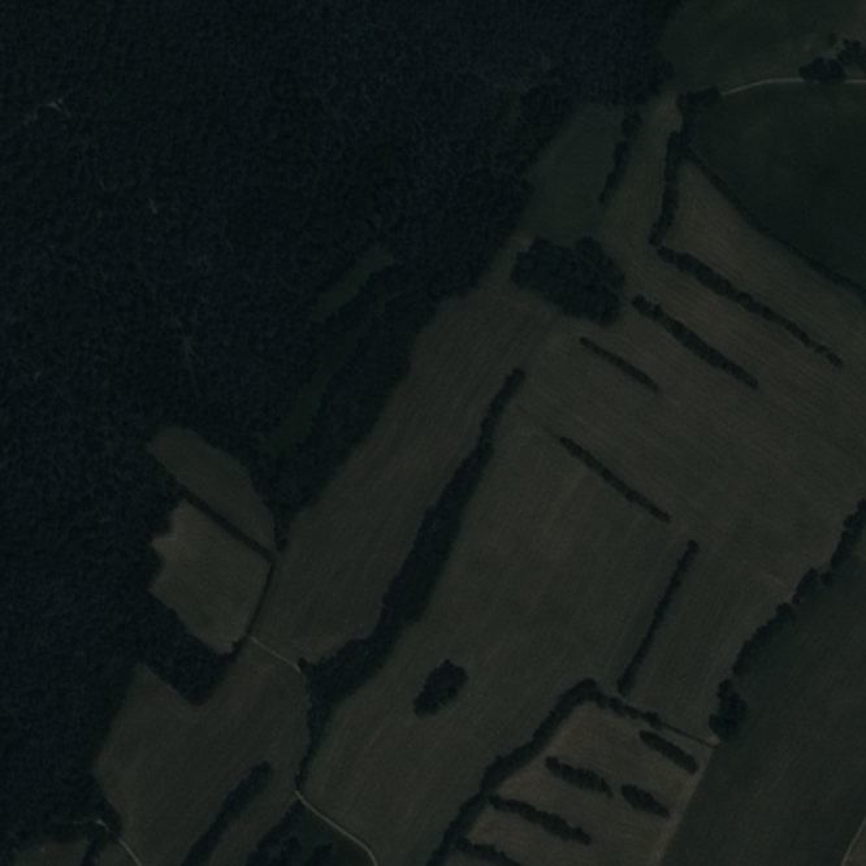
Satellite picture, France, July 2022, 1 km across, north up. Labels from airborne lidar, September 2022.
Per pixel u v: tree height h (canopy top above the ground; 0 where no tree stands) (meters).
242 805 18
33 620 22
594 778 17
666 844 0
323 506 0
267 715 0
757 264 0
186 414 13
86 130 21
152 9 21
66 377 16
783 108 0
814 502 0
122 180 24
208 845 15
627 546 0
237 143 26
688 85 0
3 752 8
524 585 0
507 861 14
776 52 0
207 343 22
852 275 0
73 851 0
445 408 0
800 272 0
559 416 0
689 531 0
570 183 0
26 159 20
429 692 17
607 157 0
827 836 0
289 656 0
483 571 0
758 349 0
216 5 26
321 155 6
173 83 20
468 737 0
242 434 7
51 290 22
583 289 20
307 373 11
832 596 0
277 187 16
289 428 0
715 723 19
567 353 0
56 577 24
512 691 0
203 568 0
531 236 0
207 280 21
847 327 0
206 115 21
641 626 0
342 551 0
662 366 0
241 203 8
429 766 0
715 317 0
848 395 0
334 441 23
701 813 0
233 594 0
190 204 24
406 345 19
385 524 0
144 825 0
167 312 34
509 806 11
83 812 6
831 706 0
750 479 0
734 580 0
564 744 0
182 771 0
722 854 0
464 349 0
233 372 16
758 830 0
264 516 0
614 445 0
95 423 19
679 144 12
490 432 12
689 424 0
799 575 0
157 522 7
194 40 25
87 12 20
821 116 0
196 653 20
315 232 24
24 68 19
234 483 0
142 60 19
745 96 0
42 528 16
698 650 0
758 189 0
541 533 0
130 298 7
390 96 22
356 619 0
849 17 0
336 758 0
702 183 0
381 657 15
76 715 18
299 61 32
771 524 0
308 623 0
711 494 0
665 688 0
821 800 0
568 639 0
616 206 0
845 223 0
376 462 0
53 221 29
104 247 21
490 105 7
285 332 19
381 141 9
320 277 9
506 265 0
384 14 31
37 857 0
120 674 16
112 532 20
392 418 0
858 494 0
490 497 0
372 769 0
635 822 0
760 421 0
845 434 0
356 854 0
